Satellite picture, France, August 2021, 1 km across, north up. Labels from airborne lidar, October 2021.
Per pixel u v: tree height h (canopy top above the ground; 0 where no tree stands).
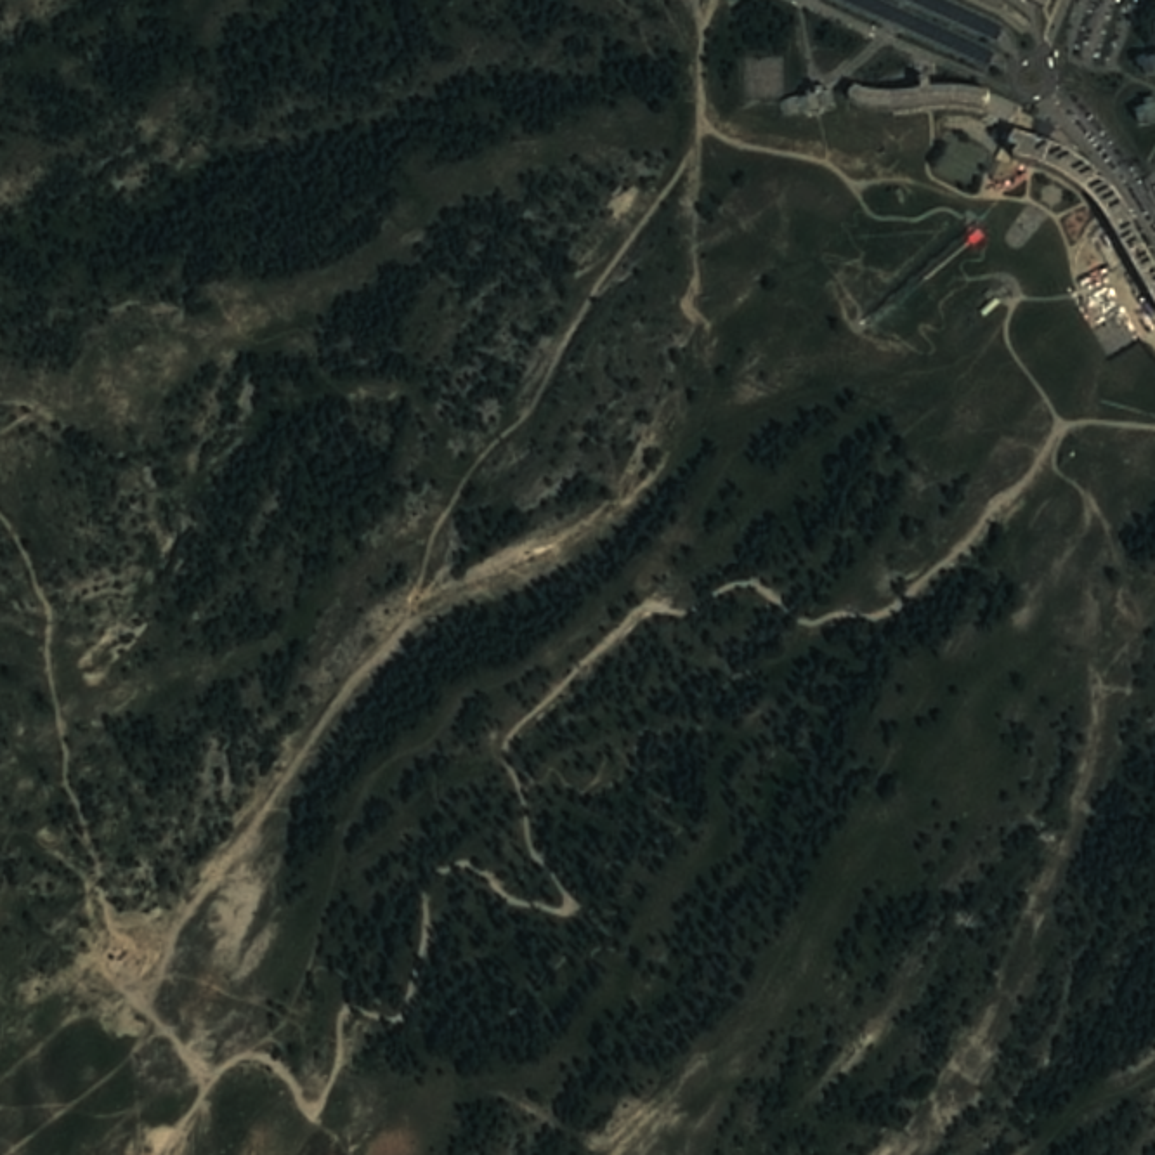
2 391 0
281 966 0
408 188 0
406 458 0
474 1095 0
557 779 0
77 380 0
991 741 0
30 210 7
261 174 9
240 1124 0
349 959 17
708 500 0
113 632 0
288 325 0
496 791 10
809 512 20
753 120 0
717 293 0
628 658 11
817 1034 0
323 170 12
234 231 7
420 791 22
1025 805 0
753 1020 0
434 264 9
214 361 6
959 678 0
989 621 15
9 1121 0
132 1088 0
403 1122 0
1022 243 0
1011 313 0
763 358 0
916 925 9
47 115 10
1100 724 0
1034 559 0
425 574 0
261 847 0
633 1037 25
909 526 16
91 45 8
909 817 0
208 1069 0
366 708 16
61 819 7
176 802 0
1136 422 0
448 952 24
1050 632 0
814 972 0
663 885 0
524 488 0
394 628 0
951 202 0
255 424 0
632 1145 0
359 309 6
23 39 7
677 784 16
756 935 0
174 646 0
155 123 0
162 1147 0
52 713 0
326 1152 0
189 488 0
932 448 0
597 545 0
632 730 23
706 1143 0
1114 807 8
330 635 0
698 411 0
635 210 0
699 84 0
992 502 0
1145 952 17
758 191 0
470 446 0
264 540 11
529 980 0
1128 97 0
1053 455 0
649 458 14
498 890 0
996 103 0
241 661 0
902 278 0
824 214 0
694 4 0
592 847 25
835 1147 0
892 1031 0
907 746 0
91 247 7
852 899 0
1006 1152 9
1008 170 0
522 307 0
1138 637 0
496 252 8
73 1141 0
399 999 19
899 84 0
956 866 0
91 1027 0
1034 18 0
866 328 0
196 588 9
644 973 6
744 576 17
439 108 23
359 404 6
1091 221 0
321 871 0
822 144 0
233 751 6
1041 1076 6
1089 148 0
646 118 0
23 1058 0
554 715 8
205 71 9
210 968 0
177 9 0
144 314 0
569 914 0
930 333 0
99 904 0
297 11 21
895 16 0
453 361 7
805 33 0
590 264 0
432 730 0
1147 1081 0
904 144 0
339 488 17
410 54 16
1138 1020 15
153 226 15
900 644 9
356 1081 0
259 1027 0
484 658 14
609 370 7
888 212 0
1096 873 10
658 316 0
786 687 0
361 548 13
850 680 18
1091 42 0
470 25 6
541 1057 16
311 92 9
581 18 12
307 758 0
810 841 13
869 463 21
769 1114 11
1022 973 0
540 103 18
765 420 0
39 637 0
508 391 12
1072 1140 7
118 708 0
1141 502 0
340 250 8
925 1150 0
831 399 0
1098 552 0
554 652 0
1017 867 0
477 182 0
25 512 0
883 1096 12
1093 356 0
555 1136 14
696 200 0
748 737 0
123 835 0
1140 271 0
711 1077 0
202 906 0
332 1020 0
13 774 0
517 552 0
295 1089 0
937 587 15
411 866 24
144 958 0
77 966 0
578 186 9
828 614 0
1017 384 0
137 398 0
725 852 0
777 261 0
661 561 0
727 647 8
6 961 0
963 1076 0
